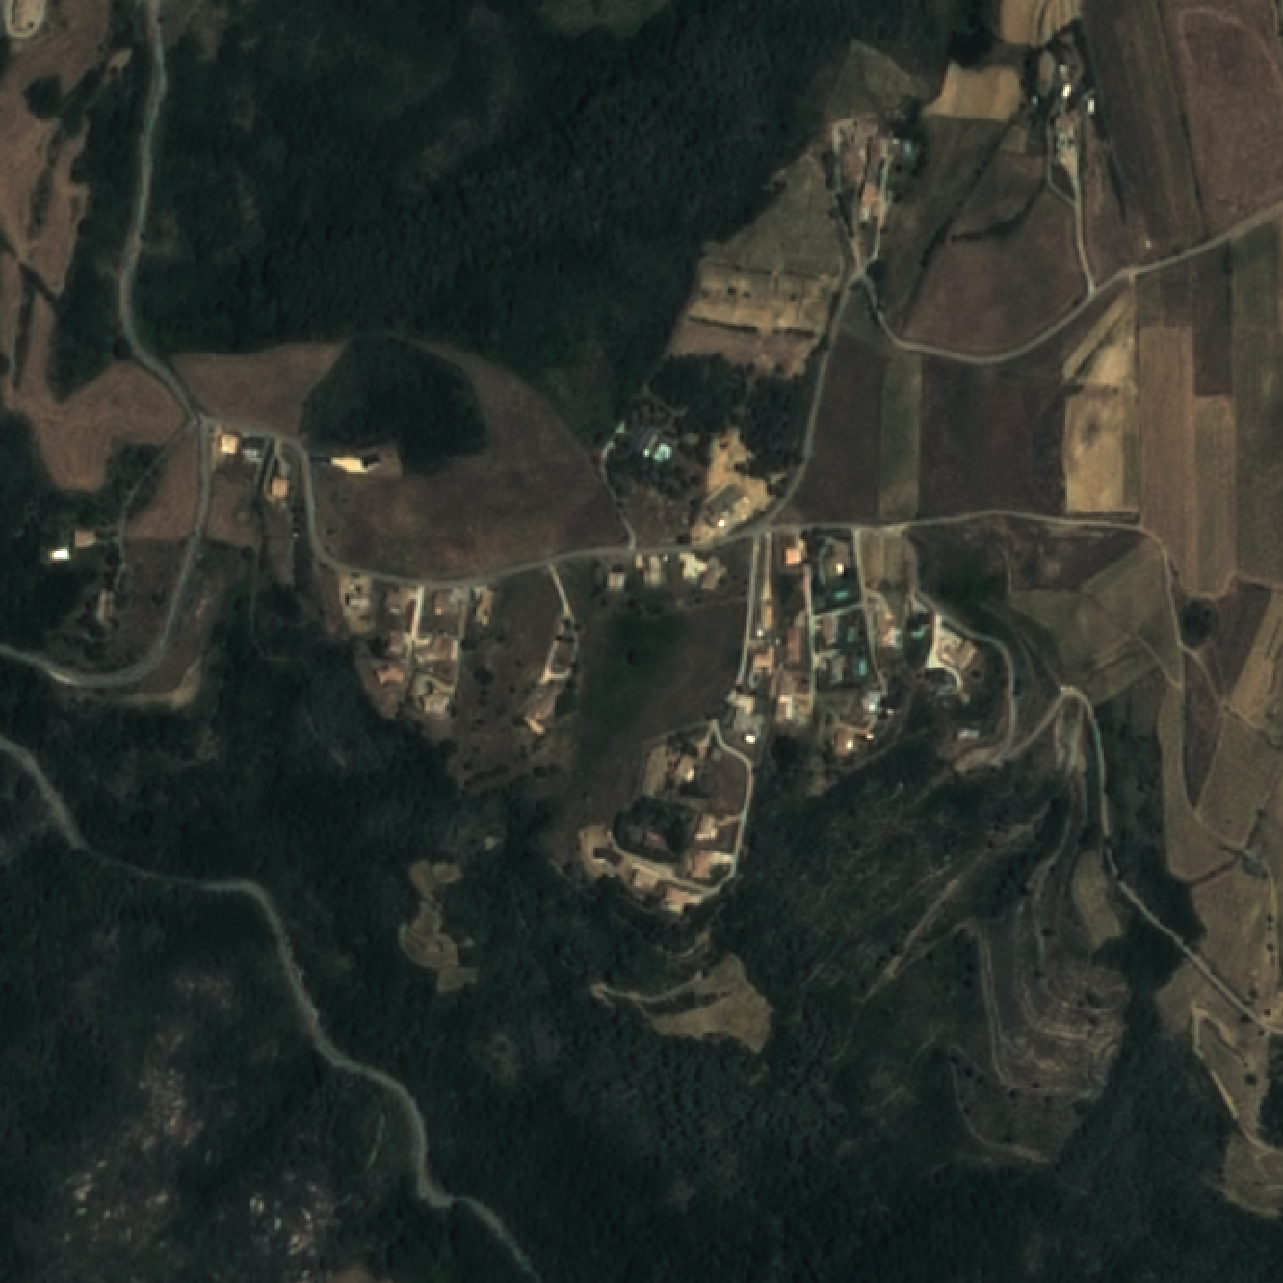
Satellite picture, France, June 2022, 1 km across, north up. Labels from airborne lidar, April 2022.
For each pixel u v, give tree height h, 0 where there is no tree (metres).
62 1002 11
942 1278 10
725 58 11
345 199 7
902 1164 8
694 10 23
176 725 11
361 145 8
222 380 0
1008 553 0
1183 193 0
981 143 0
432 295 9
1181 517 0
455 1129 9
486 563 0
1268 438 0
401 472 0
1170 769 0
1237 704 0
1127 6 0
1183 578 0
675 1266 15
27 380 0
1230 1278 9
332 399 0
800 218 0
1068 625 0
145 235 7
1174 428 0
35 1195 7
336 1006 10
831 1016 8
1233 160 0
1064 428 0
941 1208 14
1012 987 0
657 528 0
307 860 8
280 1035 7
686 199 12
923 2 9
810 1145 15
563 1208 14
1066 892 0
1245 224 0
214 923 10
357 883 10
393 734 8
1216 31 0
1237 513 0
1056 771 0
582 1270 11
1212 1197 6
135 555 0
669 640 0
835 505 0
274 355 0
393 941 6
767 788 0
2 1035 7
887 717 8
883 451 0
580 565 0
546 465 0
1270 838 0
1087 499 0
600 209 15
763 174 6
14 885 12
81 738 12
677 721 0
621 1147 7
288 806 12
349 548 0
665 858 10
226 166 8
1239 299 0
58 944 13
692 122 11
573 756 0
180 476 0
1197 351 0
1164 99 0
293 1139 14
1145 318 0
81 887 16
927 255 7
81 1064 13
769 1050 10
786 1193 14
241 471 0
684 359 6
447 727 0
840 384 0
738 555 0
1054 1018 0
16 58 0
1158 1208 7
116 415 0
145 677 0
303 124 6
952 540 0
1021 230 0
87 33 0
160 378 0
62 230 0
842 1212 17
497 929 7
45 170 0
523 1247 7
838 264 0
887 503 0
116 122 10
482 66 7
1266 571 0
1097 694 0
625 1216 17
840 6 9
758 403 7
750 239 0
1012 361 0
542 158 10
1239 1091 0
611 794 0
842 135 0
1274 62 0
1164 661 0
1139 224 0
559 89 12
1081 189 0
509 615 0
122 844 15
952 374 0
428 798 8
